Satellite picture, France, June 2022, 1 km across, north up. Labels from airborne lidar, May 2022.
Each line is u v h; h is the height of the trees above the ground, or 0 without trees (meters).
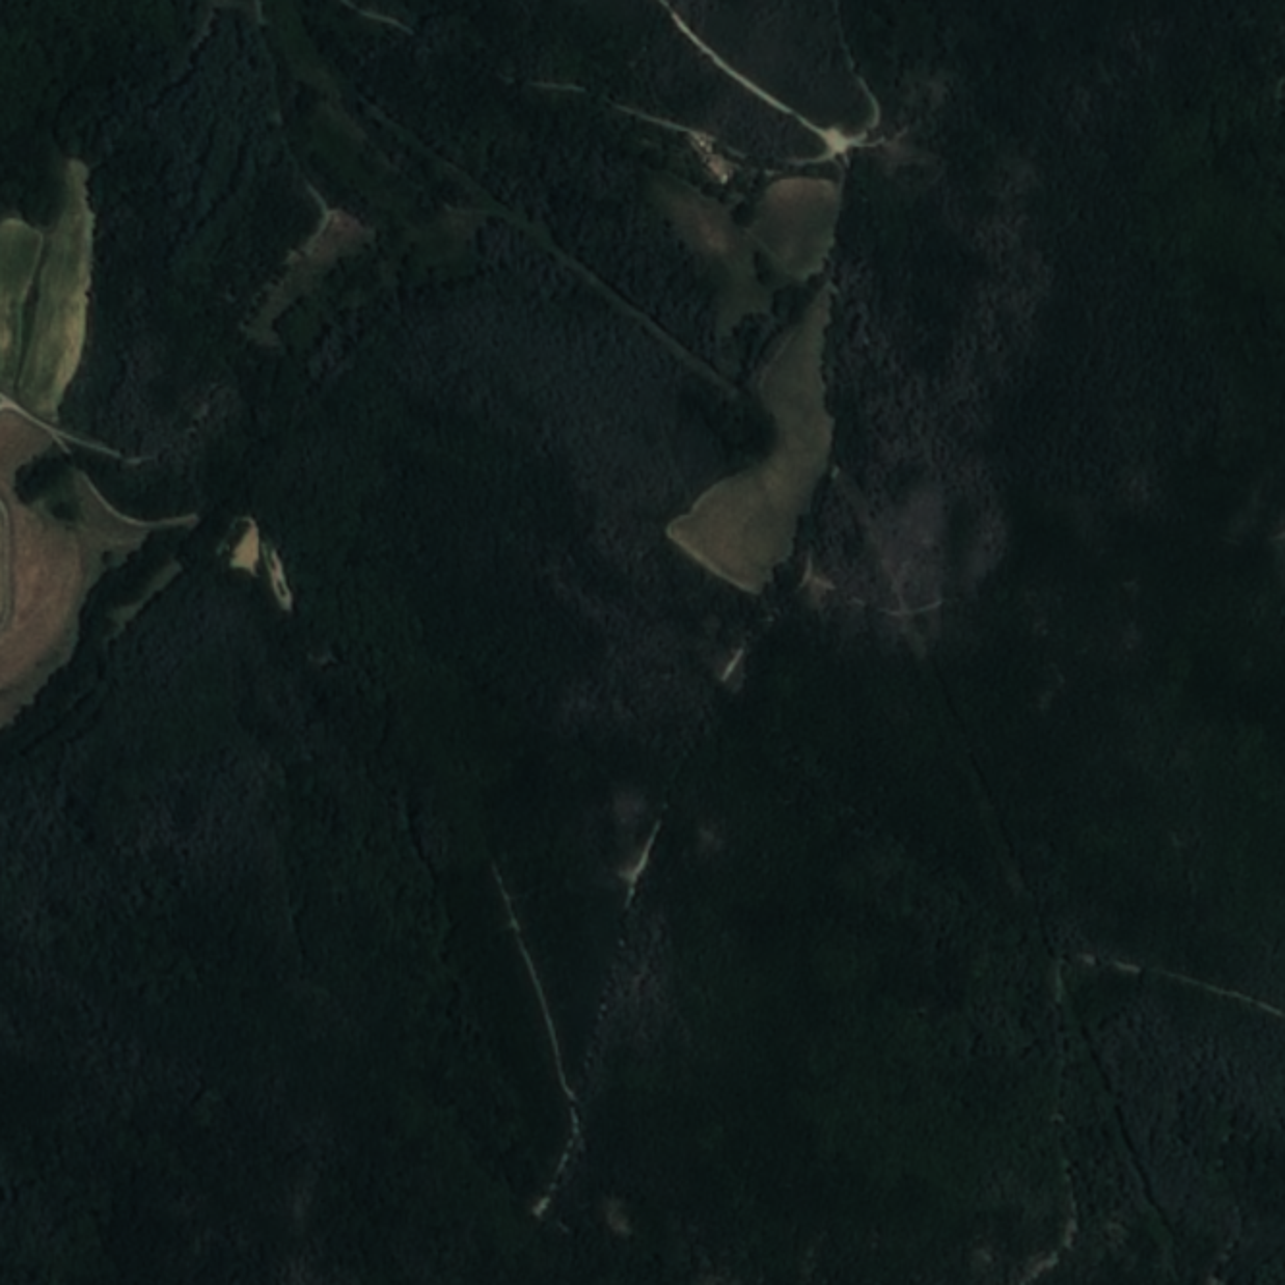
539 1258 12
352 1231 15
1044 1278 10
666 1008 11
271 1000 15
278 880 15
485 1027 8
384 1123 16
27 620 0
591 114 11
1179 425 14
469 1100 22
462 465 14
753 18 7
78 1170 16
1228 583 9
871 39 15
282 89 16
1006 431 15
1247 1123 6
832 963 16
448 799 17
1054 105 9
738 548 0
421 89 16
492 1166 19
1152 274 13
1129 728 7
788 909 13
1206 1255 14
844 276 13
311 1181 7
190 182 23
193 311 15
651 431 16
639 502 12
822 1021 15
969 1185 15
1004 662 13
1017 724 11
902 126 8
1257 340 10
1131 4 14
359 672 15
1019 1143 21
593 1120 14
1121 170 14
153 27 18
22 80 21
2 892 14
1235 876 11
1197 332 13
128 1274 19
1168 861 12
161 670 16
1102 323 10
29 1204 21
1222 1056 13
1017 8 17
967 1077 21
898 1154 15
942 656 7
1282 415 7
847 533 12
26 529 0
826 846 13
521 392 14
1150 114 14
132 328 14
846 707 14
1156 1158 20
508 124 20
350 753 21
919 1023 17
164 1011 18
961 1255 10
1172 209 18
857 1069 17
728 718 14
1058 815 10
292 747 15
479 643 16
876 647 8
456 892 10
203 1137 17
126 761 14
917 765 11
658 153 7
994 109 12
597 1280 16
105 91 6
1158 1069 13
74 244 0
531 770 7
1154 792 8
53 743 16
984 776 12
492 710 11
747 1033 10
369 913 20
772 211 0
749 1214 14
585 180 14
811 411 0
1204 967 11
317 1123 14
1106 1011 10
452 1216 19
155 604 14
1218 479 7
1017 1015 14
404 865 20
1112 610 7
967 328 13
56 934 16
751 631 9
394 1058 17
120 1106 14
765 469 0
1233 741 12
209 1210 15
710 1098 13
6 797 15
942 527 0
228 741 8
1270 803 10
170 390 18
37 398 0
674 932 13
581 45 14
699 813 8
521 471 11
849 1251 14
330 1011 13
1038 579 5
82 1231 23
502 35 12
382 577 16
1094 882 15
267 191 12
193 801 16
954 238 15
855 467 11
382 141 8
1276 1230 16
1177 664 12
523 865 6
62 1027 14
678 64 7
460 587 14
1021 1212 13
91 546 0
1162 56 11
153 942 17
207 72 23
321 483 19
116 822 14
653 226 17
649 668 10
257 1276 12
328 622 18
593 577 12
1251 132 17
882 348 13
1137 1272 8
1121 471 10
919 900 15
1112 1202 22
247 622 12
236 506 18
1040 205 8
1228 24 13
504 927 6
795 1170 12
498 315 16
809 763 14
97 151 17
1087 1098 17
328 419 15
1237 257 11
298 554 16
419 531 13
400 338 17
